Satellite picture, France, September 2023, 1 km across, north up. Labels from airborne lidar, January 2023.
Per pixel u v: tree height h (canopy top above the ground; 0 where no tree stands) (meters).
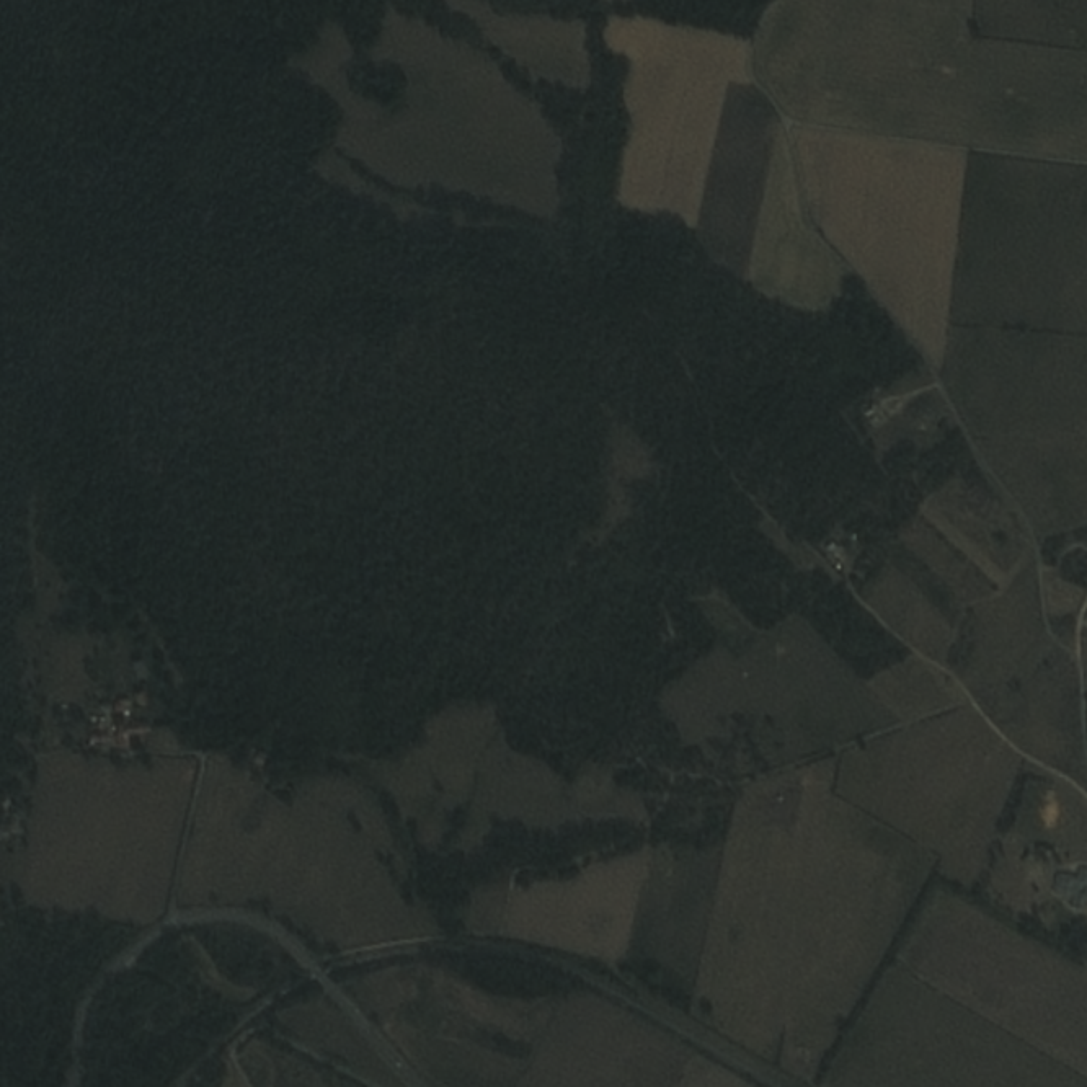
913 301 0
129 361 11
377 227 12
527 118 0
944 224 0
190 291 12
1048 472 0
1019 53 0
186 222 14
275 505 11
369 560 13
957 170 0
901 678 0
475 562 8
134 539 18
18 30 11
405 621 12
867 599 0
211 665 11
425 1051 0
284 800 6
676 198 0
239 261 13
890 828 0
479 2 0
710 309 10
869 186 0
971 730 0
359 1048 0
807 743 0
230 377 14
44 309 14
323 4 20
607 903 0
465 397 7
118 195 17
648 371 11
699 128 0
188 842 0
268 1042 10
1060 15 0
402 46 0
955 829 0
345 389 14
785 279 0
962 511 0
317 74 0
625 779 9
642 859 0
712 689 0
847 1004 0
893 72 0
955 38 0
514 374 6
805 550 0
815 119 0
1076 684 0
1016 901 0
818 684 0
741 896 0
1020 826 0
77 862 0
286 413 14
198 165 16
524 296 9
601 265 12
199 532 9
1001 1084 0
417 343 8
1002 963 0
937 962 0
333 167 0
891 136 0
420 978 0
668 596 11
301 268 18
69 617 14
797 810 0
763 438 6
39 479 10
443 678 12
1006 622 0
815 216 0
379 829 0
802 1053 0
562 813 0
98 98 15
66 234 13
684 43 0
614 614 11
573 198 10
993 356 0
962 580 0
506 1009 0
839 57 0
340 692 14
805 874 0
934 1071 0
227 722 19
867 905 0
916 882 0
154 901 0
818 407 10
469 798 0
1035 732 0
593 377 7
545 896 0
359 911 0
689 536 8
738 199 0
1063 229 0
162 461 8
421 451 13
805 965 0
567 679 9
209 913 0
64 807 0
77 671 0
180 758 0
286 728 16
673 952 0
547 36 0
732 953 0
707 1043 0
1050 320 0
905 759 0
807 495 9
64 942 7
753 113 0
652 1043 0
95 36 13
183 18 18
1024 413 0
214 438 10
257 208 14
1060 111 0
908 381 0
